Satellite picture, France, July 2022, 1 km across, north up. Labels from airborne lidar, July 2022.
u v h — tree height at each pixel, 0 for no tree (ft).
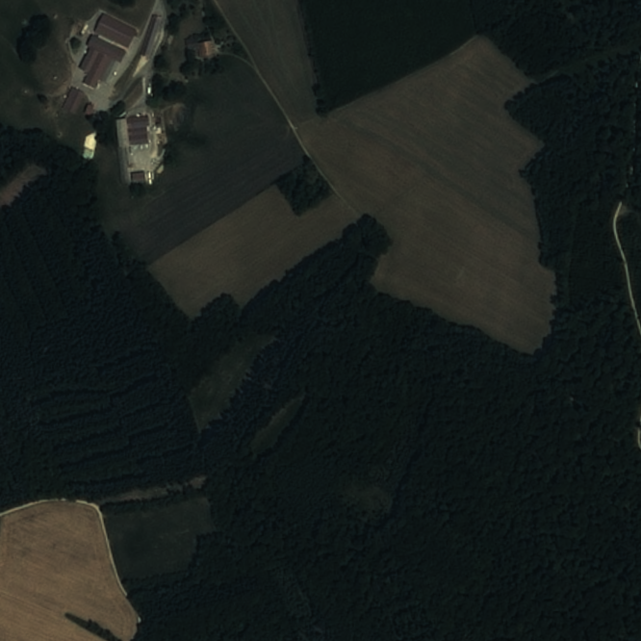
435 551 75
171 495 52
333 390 72
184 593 73
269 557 86
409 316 59
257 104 0
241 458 73
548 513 98
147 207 0
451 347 73
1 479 55
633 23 81
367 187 0
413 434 22
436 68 0
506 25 53
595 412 85
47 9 0
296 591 30
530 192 0
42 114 0
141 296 85
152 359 80
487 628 67
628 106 98
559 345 94
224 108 0
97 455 22
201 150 0
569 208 70
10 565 0
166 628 72
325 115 64
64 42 0
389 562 91
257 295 0
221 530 49
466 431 73
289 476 46
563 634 99
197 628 66
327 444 46
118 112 46
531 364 66
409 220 0
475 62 0
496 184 0
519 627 91
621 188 95
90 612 0
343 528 102
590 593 99
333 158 0
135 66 0
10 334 69
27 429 54
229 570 89
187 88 53
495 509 55
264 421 60
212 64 35
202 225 0
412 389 88
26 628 0
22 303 64
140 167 0
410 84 0
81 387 29
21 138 66
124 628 0
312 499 57
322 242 0
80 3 0
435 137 0
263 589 61
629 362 86
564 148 73
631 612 93
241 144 0
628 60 52
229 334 75
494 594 65
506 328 0
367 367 84
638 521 67
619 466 86
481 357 66
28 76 0
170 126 0
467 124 0
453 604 73
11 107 0
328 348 76
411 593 72
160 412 73
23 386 68
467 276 0
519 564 76
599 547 83
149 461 76
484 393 91
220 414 0
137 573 0
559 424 70
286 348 74
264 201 0
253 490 83
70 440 33
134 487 78
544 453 93
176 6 41
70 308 84
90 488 72
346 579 75
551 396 68
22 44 61
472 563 75
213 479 58
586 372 101
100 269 94
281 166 0
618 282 24
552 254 51
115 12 0
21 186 0
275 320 78
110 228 0
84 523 0
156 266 0
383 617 67
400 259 0
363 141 0
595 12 63
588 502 84
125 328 92
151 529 0
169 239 0
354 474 55
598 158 99
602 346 61
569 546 91
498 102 0
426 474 69
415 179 0
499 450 78
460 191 0
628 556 86
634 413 82
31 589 0
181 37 0
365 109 0
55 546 0
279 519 80
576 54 70
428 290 0
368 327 76
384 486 29
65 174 83
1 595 0
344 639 52
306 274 78
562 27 47
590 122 80
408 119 0
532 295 0
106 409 28
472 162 0
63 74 0
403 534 81
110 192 0
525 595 64
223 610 60
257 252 0
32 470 53
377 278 0
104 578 0
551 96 55
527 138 0
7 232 47
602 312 80
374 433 80
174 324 81
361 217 0
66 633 0
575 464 95
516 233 0
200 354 79
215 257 0
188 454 89
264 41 0
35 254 50
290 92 0
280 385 78
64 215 70
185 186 0
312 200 62
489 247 0
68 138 0
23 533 0
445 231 0
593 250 18
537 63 25
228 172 0
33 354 73
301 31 0
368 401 79
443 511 51
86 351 105
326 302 80
